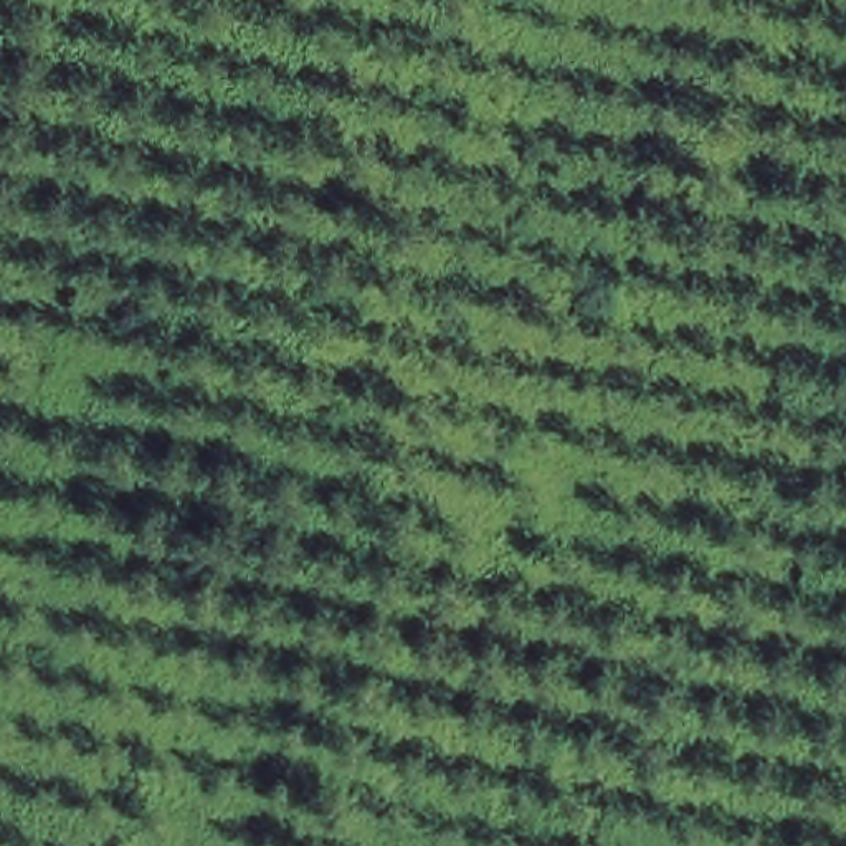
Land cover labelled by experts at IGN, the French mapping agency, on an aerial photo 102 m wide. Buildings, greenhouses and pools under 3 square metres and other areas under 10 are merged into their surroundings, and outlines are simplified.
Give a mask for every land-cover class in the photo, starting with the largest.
<instances>
[{"label":"herbaceous vegetation","instance_id":"1","mask_svg":"<svg viewBox=\"0 0 846 846\"><path fill-rule=\"evenodd\" d=\"M56 7L50 13L53 33H33V26L10 30V0H0V175L7 172L36 178V185L23 195L20 215L0 212V846H760V839L750 836V820L767 816L780 820V846H800V820L829 823L836 833L846 829V443L836 433H829L826 453H813L806 440L793 436L787 423H780V403H767L763 390L770 380L767 370L796 367V377L813 383L829 380L846 393V337L839 330L820 327L806 311H783L780 317H767L760 311H747L744 324H730V307L711 304L704 294L691 291V271H707L711 278L724 274L730 281L734 297L753 294L757 284H783L793 291L820 288L829 294V301H839L846 294V215L839 212L836 218H813L803 202L783 195L793 185V175H803L806 195L813 202L826 188V175L846 169V96L839 89H816L796 76H777V59L793 56L796 46L810 53H826L836 66L846 63V40L810 17L816 0H231V13L221 10L198 23H185L175 17V10L185 7V0H30ZM555 13L578 20L601 17L615 23L611 43H601L585 30H555ZM135 30H169L195 46H228L238 50L241 59L268 56L288 69H297L304 86L284 89L271 76L228 79L225 69L212 63L198 69L175 66L169 63L162 46L129 56L122 46L132 43ZM317 30H337L360 46L344 63L347 69H337L327 59V53L307 40ZM155 76L169 89L149 112L135 106V83ZM426 79L440 83V89L449 99H430V116L413 119L410 109L413 99H420L416 83ZM192 99L228 106L225 126L231 132L218 135L208 132L205 122H195ZM466 112L479 116L482 122H506V135L492 139V145L479 142L476 135H466ZM291 116L301 122V152H317L324 159L340 162V172L324 185L301 182L304 159L294 149H261V135L278 139L284 119ZM99 132L116 142H155L149 162L142 165L149 178L122 182L109 178L93 162H69L59 149L66 142L86 149ZM178 152H195L198 162L208 165L202 175L208 192L185 185L182 178H172L178 172ZM644 165H664L671 175L697 178L704 185V195H711V205L704 208L707 218L740 215L744 221L737 251H714L704 245L701 258H677L674 245L654 241L648 245L644 258H635V245L625 238V231L628 218H635L638 212L658 221L661 238L671 228L691 225L701 215L691 205L668 208L664 198H654L641 185H631V169ZM225 182L251 192L254 205L245 218H221L218 188ZM535 182L552 185L558 192H572L582 212L565 215L549 208L542 198H535ZM393 208H423L420 221L430 241L410 245L403 238V248L390 251L387 235L397 228ZM767 225L803 228L790 238L796 258L777 264L773 251L757 248ZM479 228H496L506 245L512 241V235H519L525 241L549 238L558 251H578V264H588L615 288V317L605 321L585 314L582 321L562 324V337L532 327L529 321L535 317L539 304H545L549 311L568 307L572 278L558 268H545L539 258L525 251L492 254L486 245L473 241ZM284 231L311 238L297 251V271L284 264H264V258H271L281 248ZM334 258H340L347 264V278L367 291L360 304H314L317 314H327L337 324L334 337L314 344L301 330L304 314L291 304L288 294L297 291L311 301L317 288H327ZM648 261L668 264L671 274H681L687 294L674 297L661 288L628 294L621 281H628L631 274L638 278ZM178 264H188L198 281L225 278V294L208 297L205 307L178 304L188 288L178 281ZM393 268H420L426 278H436V294L443 297L433 307H420L416 294L406 304H387V284L380 271ZM400 321H410L420 334H430V350L436 354L446 350L449 337L466 344L456 357H443L440 370L426 373L423 364L413 354H406V337L393 330V344L380 347L373 364H360L367 340H380L383 324ZM641 377H674L681 383H697L701 390H744L747 400L757 403L767 420H777V430L773 436H763L760 423H737L724 410L681 413L674 397L638 400ZM436 390H449V397L440 413H423L420 426H410L397 413L406 393L416 397ZM46 416H69L86 423L79 430V446L69 449V443H59L46 456ZM595 423H608L605 453H582V430ZM119 426L145 430L135 459H102L106 446L122 443ZM172 436L202 440V449L192 466L172 463L169 469ZM397 443L433 446L426 456L433 469H410V476L397 482V469L387 466L397 456ZM79 476H99L109 486L126 489L109 509V519L86 516L93 502L89 486ZM225 506L235 519H254L261 525V532L241 545V562L228 558L212 542H198L202 532H215L218 512ZM704 506H711L720 516H734V535L724 545H714L707 532L694 525ZM152 512L165 516L162 558L129 555V535L142 532ZM135 575L155 578V601L135 605L129 598L126 585ZM635 608L648 611L641 638L598 641V625H615L628 618ZM714 625L747 628L750 638H760V651L753 654L760 664H744L737 658L717 664L711 654L727 651V641ZM552 658H565L568 681L552 684L542 677V684H529L525 671ZM601 658H644L651 671L635 674V668H628L621 677L625 691L618 694L615 687L601 684ZM671 681L694 684L691 701L697 711L658 707L661 694L671 691ZM476 694L492 697V727L535 724L549 734L565 737L555 747V760L549 763V770L516 767L519 747L506 744L496 730L463 734L459 717H473ZM635 737L668 740L648 763L654 780L635 777V770L621 760L631 750ZM757 757H780V780L777 790L767 796H757L750 790L757 783ZM558 787H575V796H588V803L598 810L588 836H572L575 816H562L552 806Z\"/></svg>","mask_w":846,"mask_h":846},{"label":"deciduous trees","instance_id":"2","mask_svg":"<svg viewBox=\"0 0 846 846\"><path fill-rule=\"evenodd\" d=\"M10 30L33 26V33H53L50 13L56 7L30 0H10ZM221 10L231 13V0H185V7L175 10V17L185 23H198ZM810 17L846 40V0H816ZM555 30H585L601 43H611L615 23L601 17L578 20L555 13ZM162 46L169 63L175 66L198 69L212 63L225 69L228 79L271 76L284 89L304 86L297 69H288L268 56L241 59L238 50L228 46H195L169 30H135L132 43L122 46L129 56ZM307 40L327 53V59L337 69H347L344 63L360 46L337 30H317ZM777 76H796L816 89H839L846 96V63L836 66L826 53H810L796 46L793 56L777 59ZM169 89L155 76L135 83V106L149 112ZM420 99H413L410 109L413 119L430 116V99H449L440 89V83L426 79L416 83ZM228 106L192 99L195 122H205L208 132L218 135L231 132L225 126ZM466 135H476L479 142L492 145V139L506 135V122H482L479 116L466 112ZM301 122L291 116L284 119L278 139L261 135V149H294L304 159L301 182L324 185L340 172V162L324 159L317 152H301ZM155 142H116L99 132L86 149L66 142L59 149L69 162H93L109 178L122 182L149 178L142 165L149 162ZM178 172L172 178H182L185 185L208 192L202 175L208 165L198 162L195 152H178ZM631 185H641L654 198H664L668 208L691 205L701 215L691 225L671 228L661 238L658 221L638 212L635 218H628L625 231V238L635 245V258H644L648 245L654 241L674 245L677 258H701L704 245L714 251H737L744 221L740 215L707 218L704 208L711 205V195H704V185L697 178L671 175L664 165H644L631 169ZM803 202L813 218H836L839 212L846 215V169L826 175V188L813 202L806 195L803 175H793V185L783 195ZM36 185V178L7 172L0 175V212L20 215L23 195ZM221 218H245L254 205L251 192L225 182L218 188ZM535 198H542L549 208L565 215L582 212L572 192H558L552 185L535 182ZM423 208H393L397 228L387 235L390 251L403 248V238L410 245L430 241L420 221ZM803 228L767 225L757 248L773 251L777 264L796 258L790 238ZM473 241L486 245L492 254L525 251L539 258L545 268H558L572 278L568 307L549 311L545 304H539L535 317L529 321L532 327L562 337V324L582 321L585 314L605 321L615 317V288L588 264H578V251H558L549 238L525 241L519 235H512V241L506 245L496 228H479ZM311 238L284 231L281 248L271 258H264V264H284L297 271V251ZM367 291L347 278V264L340 258H334L327 288H317L311 301L297 291L288 294L291 304L304 314L301 330L314 344L334 337L337 324L327 314H317L314 304H360ZM628 294L661 288L674 297L687 294L681 274H671L668 264L648 261L638 278L631 274L628 281H621ZM178 281L188 288L178 304L205 307L208 297L225 294V278L198 281L188 264H178ZM387 284V304H406L416 294L420 307H433L443 297L436 294V278H426L420 268H393L380 271ZM691 291L704 294L711 304L730 307V324H744L747 311H760L767 317H780L783 311H806L820 327L839 330L846 337V294L839 301H829V294L820 288L793 291L783 284H757L753 294L734 297L730 281L724 274L711 278L707 271H691ZM393 330L406 337V354H413L423 364L426 373L440 370L443 357H456L466 344L449 337L446 350L436 354L430 350V334H420L410 321H400L383 324L380 340H367L360 364H373L380 347L393 344ZM770 380L763 390L767 403H780V423H787L793 436L806 440L813 453H826L829 433H836L846 443V393L829 380L813 383L796 377V367L767 370ZM674 397L681 413L724 410L737 423H760L763 436H773L777 430V420H767L757 403L747 400L744 390H701L697 383H681L674 377H641L638 400ZM449 397V390H436L416 397L406 393L397 413L410 426H420L423 413H440ZM46 456L59 443H69V449L79 446V430L86 423L69 416H46ZM608 423H595L582 430V453H605ZM122 443L106 446L102 459H135L145 430L119 426ZM202 449V440L172 436L169 469L172 463L192 466ZM433 446L397 443V456L387 466L397 469V482L410 476V469H433L426 456ZM89 486L93 502L86 516L109 519V509L126 489L109 486L99 476H79ZM261 532V525L254 519H235L225 506L218 512L215 532H202L198 542H212L228 558L241 562V545ZM694 525L707 532L714 545H724L734 535V516H720L711 506H704ZM165 516L152 512L142 532L129 535V555L162 558ZM129 598L135 605L155 601V578L135 575L126 585ZM648 611L635 608L628 618L615 625H598V641L641 638ZM727 641V651L711 654L717 664L737 658L744 664H760L753 654L760 651V638H750L747 628L714 625ZM529 684H542V677L552 684L568 681L565 658H552L525 671ZM628 668H635V674L651 671L644 658H601V684L615 687L618 694L625 691L621 677ZM694 684L671 681V691L661 694L658 707L697 711L691 701ZM492 697L476 694L473 717H459L463 734L496 730L506 744L519 747L516 767L549 770V763L555 760V747L565 737L549 734L535 724L492 727ZM668 740L635 737L631 750L621 760L635 770V777L654 780L648 763ZM780 757H757V783L750 790L757 796H767L777 790L780 780ZM552 806L562 816H575L572 836H588L598 810L588 803V796H575V787H558ZM750 836L760 839V846H780V820L767 816L750 820ZM800 846H846V829L836 833L829 823L800 820Z\"/></svg>","mask_w":846,"mask_h":846}]
</instances>
